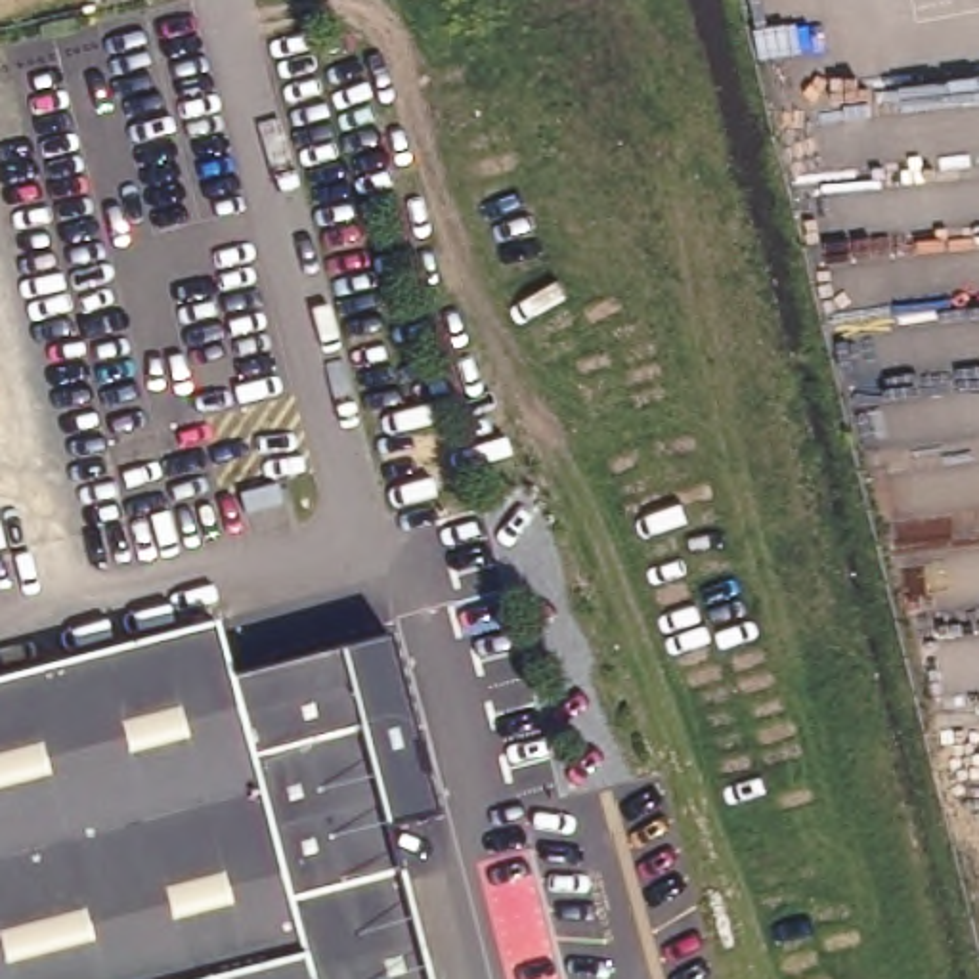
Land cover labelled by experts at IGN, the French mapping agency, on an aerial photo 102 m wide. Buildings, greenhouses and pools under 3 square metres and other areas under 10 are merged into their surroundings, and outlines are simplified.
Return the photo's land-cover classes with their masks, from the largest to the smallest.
<instances>
[{"label":"impervious surface","instance_id":"1","mask_svg":"<svg viewBox=\"0 0 979 979\"><path fill-rule=\"evenodd\" d=\"M184 11L122 15L69 38L19 42L0 50V673L84 650H103L141 635L176 631L199 620H226L237 669H256L394 631L451 849V857L440 860L436 872L413 876L440 979H715L707 937L696 933L704 929L700 906L685 872V849L677 838L665 788L658 776H646L642 769L627 765L623 746L608 727V715L600 711L593 646L570 612V597L562 585V555L555 547L547 520L539 516V493L551 490V482L535 474L532 490H509L497 512H470L455 505V497L440 486L436 436L428 421L444 398H455L459 390L470 394L478 409L474 417L482 455L493 459L512 455L497 424L501 405H493V394L482 390L478 363L470 359H463V367L451 379L428 382L417 371V340L436 325L451 329V348H463L467 325L451 310L440 306L402 321L390 306V275L413 268L417 260H424L428 283L436 287L440 272H432V252L440 245L428 237V207L417 199L409 203L413 241L367 245L359 229L375 222V207L386 195L382 187H390V172L382 168L390 161L409 164L413 157L409 138L398 134V115L390 107L394 84L379 73L382 54L371 46L348 57H329L306 54V38L298 34L294 23L279 31H260L256 0H184ZM302 470L317 482V509L310 520L294 516V505L283 490H268V478ZM512 585H532L539 597H547V631L543 639L509 650V639L501 635L493 616L501 612V597ZM547 654L562 662V673L574 685L555 704H543L528 681V665L543 662ZM570 727H577V734L597 746L589 769H566L547 746L555 734ZM757 31L753 46L761 57L757 84L765 99V119L780 134V164L792 176V184L784 187L792 203V229L803 237V272L815 283L826 348L834 356V382L845 394V451L853 459L857 482L872 486L880 516L891 532L887 543H876V562L883 574L887 608L895 616V639L906 662L903 688L925 730L933 788L945 811V826L952 834L960 887L968 895V937L979 960V0H746Z\"/></svg>","mask_w":979,"mask_h":979},{"label":"herbaceous vegetation","instance_id":"2","mask_svg":"<svg viewBox=\"0 0 979 979\"><path fill-rule=\"evenodd\" d=\"M184 0H0V50L19 42L69 38L122 15L184 11ZM402 15L417 50V65L421 73H428V122L436 130V153L444 161L447 191L470 237V268L482 291L493 298L497 321L512 329V337L505 340V356L512 359V371L528 379V390L547 402L566 436L562 447H551L539 459L512 455L493 459L505 470L501 486L509 490H532L535 474L551 482V490L539 493V516L547 520L555 547L562 555V585L570 597V612L593 646L600 711L608 715V727L623 746L627 765L642 769L646 776H658L665 788L677 838L685 849V872L700 906L704 929L696 933L707 937L715 979H979V960L968 937V895L960 887L952 834L945 826V811L933 788L925 730L903 688L906 662L895 639V616L887 608L883 574L876 562V543H887L891 532L880 516L872 486L857 482L853 459L845 451V394L834 382V356L826 348L815 283L803 272V237L792 229V203L784 187L792 184V176L780 164V134L765 119V99L757 84L761 57L753 46L757 31L746 0H382ZM268 490H283L294 505V516L310 520L317 509V482L302 470L268 478Z\"/></svg>","mask_w":979,"mask_h":979},{"label":"building","instance_id":"3","mask_svg":"<svg viewBox=\"0 0 979 979\"><path fill-rule=\"evenodd\" d=\"M451 857V849L394 631L256 669H237L226 620H199L176 631L141 635L103 650H84L0 673V979H440L413 876L436 872L440 860Z\"/></svg>","mask_w":979,"mask_h":979},{"label":"pervious surface","instance_id":"4","mask_svg":"<svg viewBox=\"0 0 979 979\"><path fill-rule=\"evenodd\" d=\"M260 31H279L294 23L298 34L329 4L348 27L363 31L371 46L382 54L379 73L394 84L390 107L398 115V134L409 138L413 157L409 164L390 161L382 168L390 172V187H413L417 199L428 207V237L440 245L432 252V272H440L436 287H447V294L455 298L451 310L467 325L463 348L470 359L478 363L482 390L493 394V405H501L497 424L512 455L539 459L551 447H562L566 436L547 402L528 390V379L512 371V359L505 356V340L512 337V329L497 321L493 298L482 291L470 268V237L447 191L444 161L436 153V130L428 122V73H421L417 65V50L402 15L382 0H256Z\"/></svg>","mask_w":979,"mask_h":979},{"label":"deciduous trees","instance_id":"5","mask_svg":"<svg viewBox=\"0 0 979 979\"><path fill-rule=\"evenodd\" d=\"M306 38V54L329 57H348L371 46L363 31L348 27L329 4L298 34ZM386 195L375 207V222L359 229L367 245L413 241L409 203L417 199L413 187H382ZM390 306L402 321L440 306L451 310L455 298L447 294V287H436L428 283L424 260H417L413 268L390 275ZM463 359H470L463 348H451V329L436 325L417 340V371L428 382L451 379L463 367ZM478 409L470 394L459 390L455 398H444L428 421L436 436L440 486L455 497V505L470 512H497L509 490L501 486L505 470L493 459L482 455L474 417ZM501 635L509 639V650L543 639L547 631V597H539L532 585H512L501 597V612L493 616ZM528 681L543 704H555L574 685L562 673V662L547 654L543 662L528 665ZM547 746L566 769H589L597 746L577 734V727H570L555 734Z\"/></svg>","mask_w":979,"mask_h":979}]
</instances>
